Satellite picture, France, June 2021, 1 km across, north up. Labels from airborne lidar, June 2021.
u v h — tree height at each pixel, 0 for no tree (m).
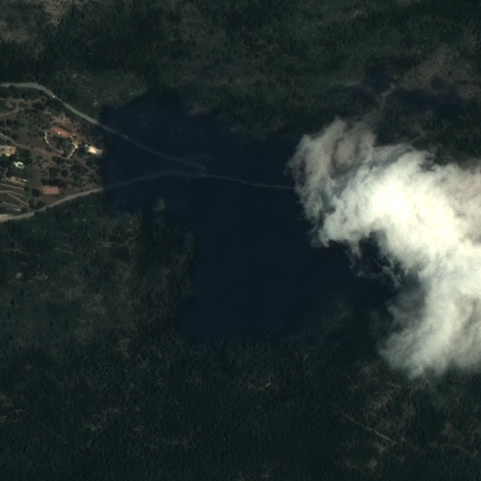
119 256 9
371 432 6
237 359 18
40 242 9
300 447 10
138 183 10
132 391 9
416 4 9
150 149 9
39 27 9
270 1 8
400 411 15
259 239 10
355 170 9
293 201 16
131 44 9
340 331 6
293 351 7
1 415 13
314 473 14
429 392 6
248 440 11
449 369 10
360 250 13
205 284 17
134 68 11
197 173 0
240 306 10
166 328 12
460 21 9
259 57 14
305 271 12
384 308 11
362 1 6
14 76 9
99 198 6
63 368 8
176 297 12
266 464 7
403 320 7
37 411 11
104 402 14
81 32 7
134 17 8
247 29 7
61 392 8
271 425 16
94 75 6
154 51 7
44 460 11
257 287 13
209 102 8
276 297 19
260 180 8
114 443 12
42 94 15
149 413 13
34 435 7
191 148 7
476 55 7
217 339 17
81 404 11
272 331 15
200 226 5
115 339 10
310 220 9
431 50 8
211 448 12
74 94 6
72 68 11
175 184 7
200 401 11
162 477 11
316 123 10
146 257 10
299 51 6
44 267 7
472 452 8
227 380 11
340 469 12
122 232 7
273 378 10
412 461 9
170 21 10
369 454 8
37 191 12
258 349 10
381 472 7
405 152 7
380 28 6
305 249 9
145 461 16
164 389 11
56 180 8
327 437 12
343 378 11
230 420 14
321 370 7
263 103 7
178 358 18
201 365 14
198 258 11
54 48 8
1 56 10
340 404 7
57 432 9
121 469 13
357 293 6
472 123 8
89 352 11
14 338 18
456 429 7
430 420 15
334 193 13
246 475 11
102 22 5
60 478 13
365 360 9
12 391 10
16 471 15
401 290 10
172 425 10
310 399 11
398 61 9
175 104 9
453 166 11
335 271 9
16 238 10
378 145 10
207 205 7
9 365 10
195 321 8
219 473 6
